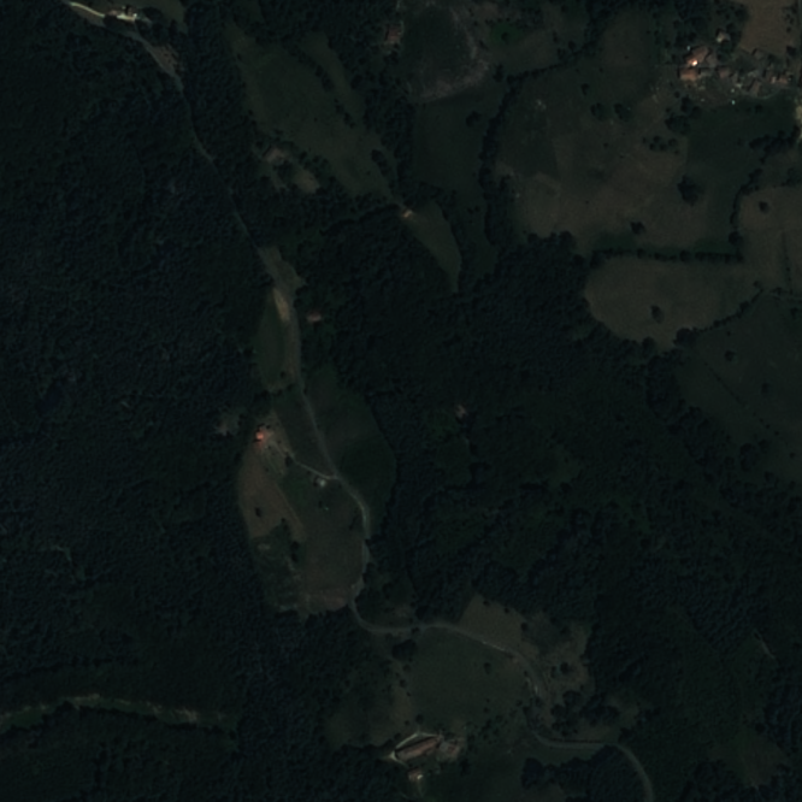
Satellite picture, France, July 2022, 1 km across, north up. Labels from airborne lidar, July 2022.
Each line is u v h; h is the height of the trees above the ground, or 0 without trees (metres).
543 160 0
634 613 24
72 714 26
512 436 28
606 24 6
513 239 14
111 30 13
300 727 23
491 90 0
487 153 13
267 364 0
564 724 10
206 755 27
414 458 17
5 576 15
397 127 14
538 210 0
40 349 19
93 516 20
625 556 20
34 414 7
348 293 13
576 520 19
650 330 0
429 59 0
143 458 22
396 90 15
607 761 23
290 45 13
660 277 0
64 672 22
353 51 18
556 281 22
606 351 9
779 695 14
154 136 29
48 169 23
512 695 0
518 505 27
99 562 18
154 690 23
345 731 0
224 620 25
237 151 15
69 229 28
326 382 0
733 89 0
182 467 29
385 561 16
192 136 21
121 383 21
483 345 16
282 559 0
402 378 27
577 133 0
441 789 0
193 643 32
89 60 15
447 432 7
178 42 24
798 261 0
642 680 30
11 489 24
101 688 21
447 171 0
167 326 24
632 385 23
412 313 29
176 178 27
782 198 0
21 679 24
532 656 0
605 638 23
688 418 18
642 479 7
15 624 17
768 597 16
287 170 14
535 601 18
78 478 22
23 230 25
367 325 27
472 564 20
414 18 0
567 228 0
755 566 12
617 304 0
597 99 0
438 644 0
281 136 17
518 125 0
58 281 15
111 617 22
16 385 9
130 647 40
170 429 19
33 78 33
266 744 21
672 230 0
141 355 26
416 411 7
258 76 0
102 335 24
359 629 8
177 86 11
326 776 17
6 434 11
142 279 19
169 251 24
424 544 25
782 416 0
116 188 25
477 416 32
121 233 11
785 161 0
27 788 8
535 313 25
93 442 19
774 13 0
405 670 7
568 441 8
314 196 7
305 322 7
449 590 16
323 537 0
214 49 32
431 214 0
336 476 0
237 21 20
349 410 0
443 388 26
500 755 0
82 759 8
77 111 29
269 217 17
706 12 8
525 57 0
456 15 0
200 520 15
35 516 22
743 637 19
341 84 0
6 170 24
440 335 29
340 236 24
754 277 0
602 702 12
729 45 9
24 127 23
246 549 27
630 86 0
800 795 21
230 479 28
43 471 23
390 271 29
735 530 12
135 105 22
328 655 22
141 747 22
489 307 20
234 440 18
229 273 29
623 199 0
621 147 0
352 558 0
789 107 0
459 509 25
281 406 0
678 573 6
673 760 6
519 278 25
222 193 28
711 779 21
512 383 27
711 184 0
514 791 0
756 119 0
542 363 23
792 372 0
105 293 29
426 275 23
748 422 0
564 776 23
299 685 19
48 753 7
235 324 28
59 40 6
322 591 0
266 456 0
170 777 28
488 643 0
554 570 25
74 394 24
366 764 9
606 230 0
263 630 20
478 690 0
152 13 21
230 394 30
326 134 0
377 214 18
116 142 25
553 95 0
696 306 0
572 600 22
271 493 0
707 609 24
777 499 18
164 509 29
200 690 26
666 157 0
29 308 21
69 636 8
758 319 0
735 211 6
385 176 16
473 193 0
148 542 21
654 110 0
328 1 14
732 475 9
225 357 13
